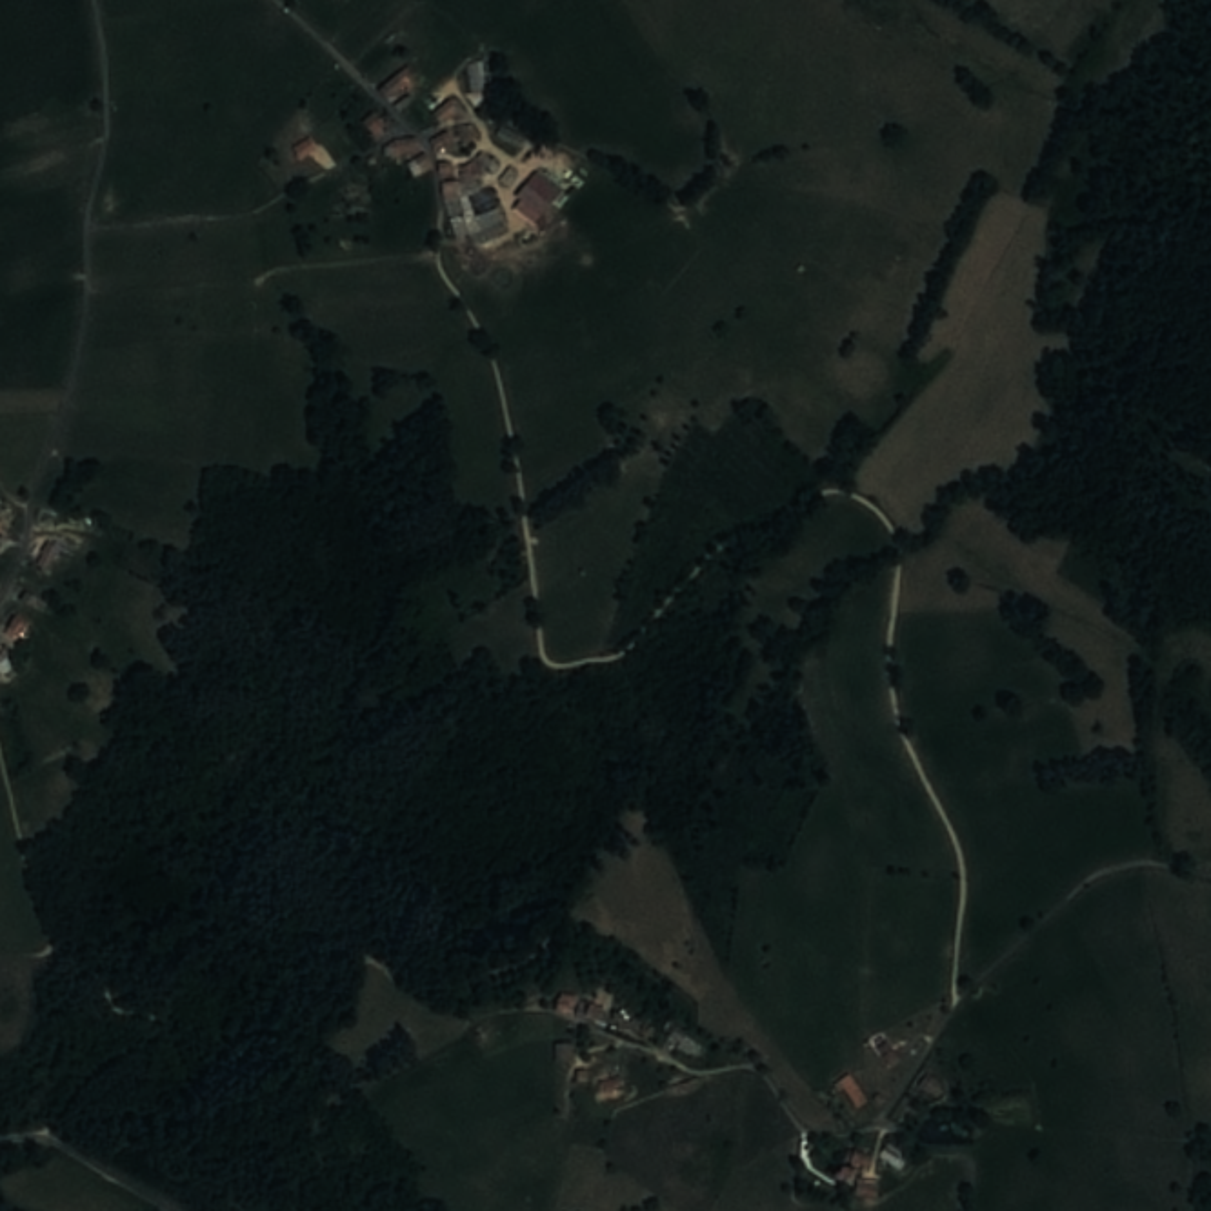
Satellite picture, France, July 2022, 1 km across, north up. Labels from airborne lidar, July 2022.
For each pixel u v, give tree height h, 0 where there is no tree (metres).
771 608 0
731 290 0
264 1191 14
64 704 0
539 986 6
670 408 0
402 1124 0
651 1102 0
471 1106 0
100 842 15
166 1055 19
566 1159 0
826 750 0
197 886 9
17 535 0
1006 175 0
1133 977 0
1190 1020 0
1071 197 0
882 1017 0
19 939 0
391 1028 0
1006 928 0
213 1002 8
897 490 0
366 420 19
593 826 9
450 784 12
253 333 0
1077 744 0
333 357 18
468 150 9
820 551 0
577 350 0
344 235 0
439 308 0
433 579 13
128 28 0
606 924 0
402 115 0
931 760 0
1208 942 0
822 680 0
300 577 15
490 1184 0
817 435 0
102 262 0
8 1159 21
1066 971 0
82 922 18
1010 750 0
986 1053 0
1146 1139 0
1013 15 0
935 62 0
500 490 0
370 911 20
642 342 0
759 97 0
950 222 7
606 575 0
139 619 0
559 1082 0
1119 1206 0
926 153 0
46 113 0
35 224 0
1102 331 24
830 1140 11
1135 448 22
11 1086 12
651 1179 0
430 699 13
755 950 0
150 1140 24
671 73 0
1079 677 14
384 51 0
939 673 0
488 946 23
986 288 0
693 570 7
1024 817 0
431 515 27
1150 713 12
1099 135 19
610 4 0
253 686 15
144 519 0
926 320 21
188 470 0
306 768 18
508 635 0
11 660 9
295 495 13
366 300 0
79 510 14
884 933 0
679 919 0
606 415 14
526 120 23
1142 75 20
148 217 0
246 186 0
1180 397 22
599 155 12
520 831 10
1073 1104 0
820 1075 0
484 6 0
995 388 0
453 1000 18
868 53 0
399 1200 12
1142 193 20
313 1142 13
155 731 24
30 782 0
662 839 15
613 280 0
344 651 28
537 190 0
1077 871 0
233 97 0
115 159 0
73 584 9
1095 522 11
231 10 0
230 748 12
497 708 10
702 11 0
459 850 12
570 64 0
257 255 0
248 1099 20
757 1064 6
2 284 0
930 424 0
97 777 18
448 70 0
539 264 0
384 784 18
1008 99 0
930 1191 0
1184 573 9
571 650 0
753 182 0
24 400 0
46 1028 15
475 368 0
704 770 11
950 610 0
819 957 0
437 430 18
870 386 0
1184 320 24
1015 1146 0
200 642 22
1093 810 0
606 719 6
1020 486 23
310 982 26
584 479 20
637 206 0
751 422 19
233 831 22
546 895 17
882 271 0
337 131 0
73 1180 0
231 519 13
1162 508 19
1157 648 15
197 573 14
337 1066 22
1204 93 7
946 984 0
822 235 0
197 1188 12
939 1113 11
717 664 12
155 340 0
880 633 0
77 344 0
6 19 0
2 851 0
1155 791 8
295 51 0
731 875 0
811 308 0
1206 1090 0
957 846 0
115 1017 7
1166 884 0
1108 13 0
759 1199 0
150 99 0
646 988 8
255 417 0
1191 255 26
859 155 0
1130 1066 0
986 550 0
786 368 0
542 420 0
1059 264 19
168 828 12
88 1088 19
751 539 24
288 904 22
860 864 0
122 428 0
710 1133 0
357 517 10
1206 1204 16
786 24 0
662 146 0
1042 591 0
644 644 9
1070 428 26
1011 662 0
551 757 10
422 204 0
